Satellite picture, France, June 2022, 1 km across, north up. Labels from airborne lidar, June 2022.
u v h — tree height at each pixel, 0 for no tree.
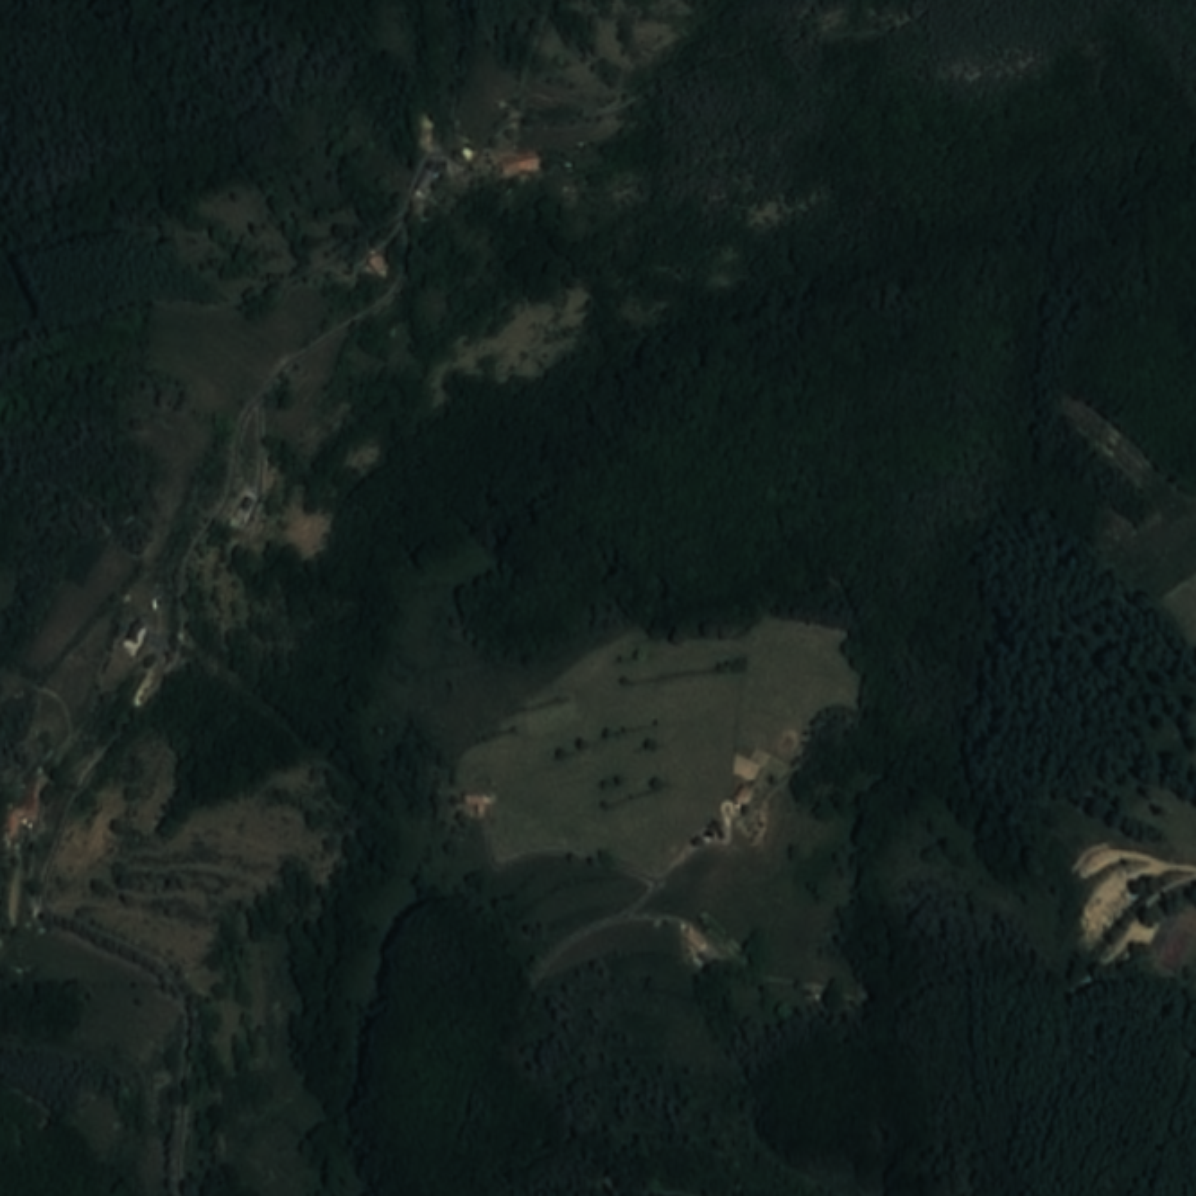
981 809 22
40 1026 14
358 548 18
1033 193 11
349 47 10
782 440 18
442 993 18
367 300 10
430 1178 20
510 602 17
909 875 0
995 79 10
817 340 26
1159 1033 26
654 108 8
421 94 10
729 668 8
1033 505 22
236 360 0
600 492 20
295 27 14
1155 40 19
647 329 12
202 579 8
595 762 0
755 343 18
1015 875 18
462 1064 16
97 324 20
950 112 16
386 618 16
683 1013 0
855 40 9
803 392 18
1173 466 11
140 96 22
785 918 0
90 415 13
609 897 0
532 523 13
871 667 17
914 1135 12
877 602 19
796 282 23
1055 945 0
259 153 18
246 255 7
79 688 0
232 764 24
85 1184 19
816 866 0
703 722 0
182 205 10
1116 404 15
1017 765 35
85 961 0
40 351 17
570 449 20
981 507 11
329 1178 16
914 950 15
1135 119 17
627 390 31
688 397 19
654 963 0
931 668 19
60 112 17
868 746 12
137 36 26
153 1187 0
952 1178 13
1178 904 20
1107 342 16
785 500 16
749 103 14
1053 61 6
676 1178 8
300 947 14
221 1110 15
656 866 0
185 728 11
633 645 0
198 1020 12
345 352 6
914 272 22
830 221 11
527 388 13
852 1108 27
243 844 0
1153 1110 32
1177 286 16
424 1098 12
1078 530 16
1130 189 21
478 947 27
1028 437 22
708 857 0
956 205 16
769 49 13
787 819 0
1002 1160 14
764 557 23
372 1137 25
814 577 8
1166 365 17
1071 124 18
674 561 19
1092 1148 33
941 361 19
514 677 0
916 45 11
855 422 18
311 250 9
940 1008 15
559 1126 18
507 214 12
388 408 15
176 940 0
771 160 12
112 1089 13
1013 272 22
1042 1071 27
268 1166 0
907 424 16
